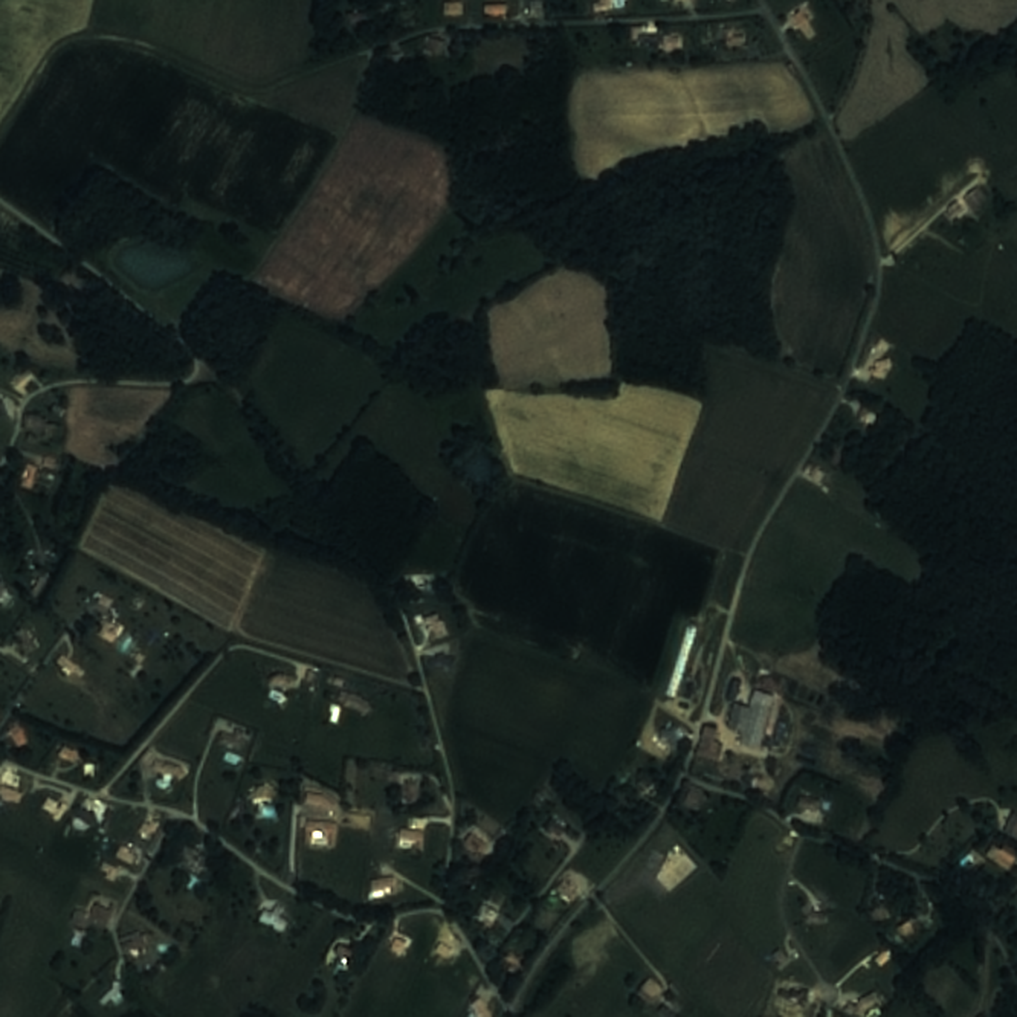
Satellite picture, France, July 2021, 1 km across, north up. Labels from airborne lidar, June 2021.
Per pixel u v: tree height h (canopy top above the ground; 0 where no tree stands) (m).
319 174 0
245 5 0
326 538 7
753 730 0
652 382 8
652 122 0
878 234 0
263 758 0
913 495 22
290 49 0
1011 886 10
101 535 0
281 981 0
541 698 0
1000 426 19
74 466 14
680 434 0
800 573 0
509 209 24
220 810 0
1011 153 0
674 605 0
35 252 15
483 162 19
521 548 0
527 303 0
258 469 0
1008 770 0
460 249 12
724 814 0
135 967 11
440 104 12
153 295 0
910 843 0
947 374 16
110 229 18
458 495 0
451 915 18
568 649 0
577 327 0
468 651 0
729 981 0
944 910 14
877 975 0
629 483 0
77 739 12
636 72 0
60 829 0
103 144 0
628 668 0
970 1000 0
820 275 0
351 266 0
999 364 13
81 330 28
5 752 9
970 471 13
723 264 18
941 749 0
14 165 0
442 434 0
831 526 0
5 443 0
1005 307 0
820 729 0
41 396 0
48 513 0
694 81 0
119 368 25
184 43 0
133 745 12
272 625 0
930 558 16
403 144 0
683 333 18
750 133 9
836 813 0
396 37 7
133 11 0
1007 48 11
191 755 0
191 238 21
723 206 18
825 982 0
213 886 10
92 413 0
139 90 0
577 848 0
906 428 13
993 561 22
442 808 0
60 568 11
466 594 0
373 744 0
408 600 16
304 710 0
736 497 0
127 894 0
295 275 0
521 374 0
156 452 13
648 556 0
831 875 0
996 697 30
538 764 0
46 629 0
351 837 0
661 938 0
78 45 0
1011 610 18
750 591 0
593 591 0
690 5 0
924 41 10
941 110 0
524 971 9
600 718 0
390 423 0
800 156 0
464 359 28
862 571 13
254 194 0
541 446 0
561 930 0
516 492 0
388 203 0
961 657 27
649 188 22
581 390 14
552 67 9
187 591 0
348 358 0
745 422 0
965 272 0
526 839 11
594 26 0
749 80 0
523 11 0
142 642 0
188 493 15
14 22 0
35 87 0
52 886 0
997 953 11
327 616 0
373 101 10
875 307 0
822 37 0
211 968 0
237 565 0
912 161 0
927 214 0
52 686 0
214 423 0
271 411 0
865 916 8
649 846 0
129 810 0
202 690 0
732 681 0
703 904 0
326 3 20
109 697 0
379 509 16
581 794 14
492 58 0
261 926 6
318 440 0
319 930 0
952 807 0
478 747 0
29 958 0
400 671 0
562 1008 0
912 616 26
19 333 0
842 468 10
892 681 24
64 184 0
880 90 0
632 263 19
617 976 0
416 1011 0
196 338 26
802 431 0
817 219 0
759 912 0
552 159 17
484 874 8
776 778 0
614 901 0
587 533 0
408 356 21
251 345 23
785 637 0
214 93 0
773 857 0
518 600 0
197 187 0
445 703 0
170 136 0
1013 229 0
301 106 0
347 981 10
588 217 17
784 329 0
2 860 0
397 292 0
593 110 0
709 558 0
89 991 0
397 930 0
